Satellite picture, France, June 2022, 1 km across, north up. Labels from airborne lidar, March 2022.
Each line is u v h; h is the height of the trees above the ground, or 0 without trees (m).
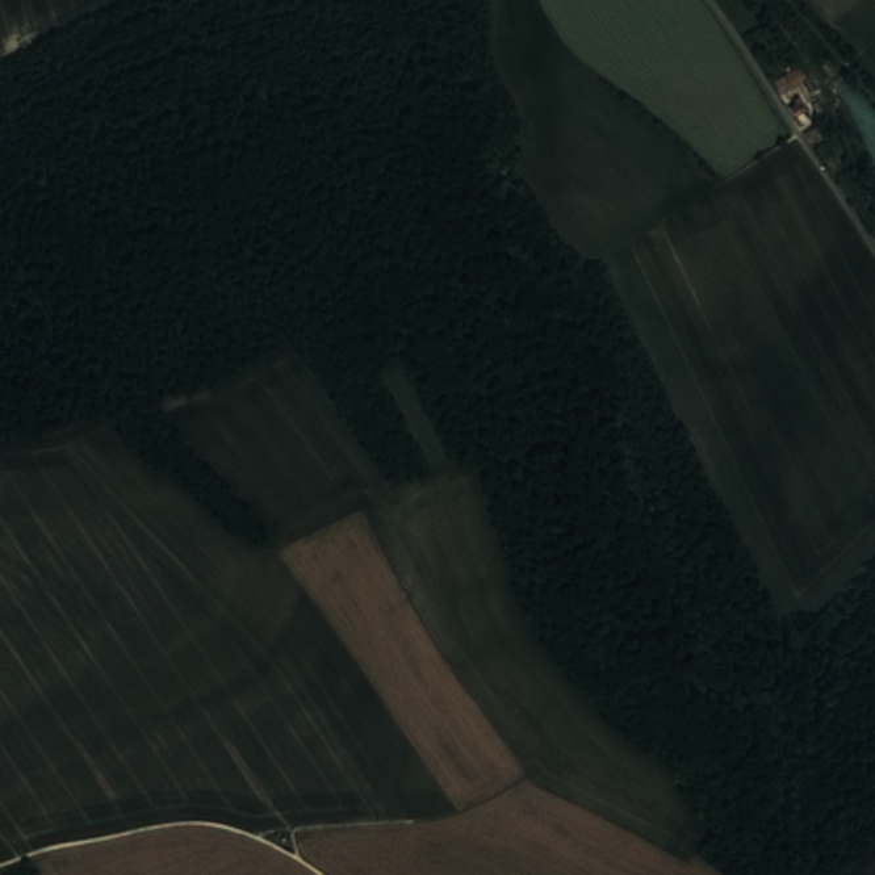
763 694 32
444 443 9
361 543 0
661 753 12
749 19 0
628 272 0
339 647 0
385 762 0
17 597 0
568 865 0
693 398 0
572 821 0
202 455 0
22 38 0
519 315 24
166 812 0
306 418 0
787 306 0
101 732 0
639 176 0
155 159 19
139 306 18
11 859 0
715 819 15
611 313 10
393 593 0
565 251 16
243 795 0
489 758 0
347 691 0
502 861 0
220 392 0
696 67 0
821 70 0
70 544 0
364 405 12
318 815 0
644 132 0
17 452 0
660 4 0
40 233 17
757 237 0
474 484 0
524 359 23
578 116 0
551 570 24
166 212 20
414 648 0
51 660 0
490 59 15
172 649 0
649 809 0
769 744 28
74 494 0
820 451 0
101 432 0
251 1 7
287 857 0
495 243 21
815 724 28
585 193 0
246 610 0
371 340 20
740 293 0
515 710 0
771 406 0
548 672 0
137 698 0
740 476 0
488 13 14
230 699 0
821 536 0
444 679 0
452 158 20
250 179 15
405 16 14
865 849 16
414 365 17
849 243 0
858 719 25
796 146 0
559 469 19
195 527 0
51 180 17
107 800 0
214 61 18
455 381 19
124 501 0
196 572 0
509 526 16
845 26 0
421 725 0
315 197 13
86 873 0
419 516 0
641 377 24
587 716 0
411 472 12
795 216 0
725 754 25
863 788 22
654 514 30
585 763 0
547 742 0
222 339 17
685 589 26
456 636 0
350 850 0
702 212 0
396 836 0
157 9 11
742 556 26
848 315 0
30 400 18
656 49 0
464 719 0
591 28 0
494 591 0
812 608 0
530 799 0
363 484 0
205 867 0
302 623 0
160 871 0
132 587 0
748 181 0
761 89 0
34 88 13
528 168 0
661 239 0
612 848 0
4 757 0
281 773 0
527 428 15
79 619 0
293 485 0
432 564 0
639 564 28
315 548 0
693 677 0
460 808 0
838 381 0
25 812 0
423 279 15
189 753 0
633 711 19
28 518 0
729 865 19
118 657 0
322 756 0
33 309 21
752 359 0
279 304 14
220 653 0
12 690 0
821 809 29
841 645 21
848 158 9
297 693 0
